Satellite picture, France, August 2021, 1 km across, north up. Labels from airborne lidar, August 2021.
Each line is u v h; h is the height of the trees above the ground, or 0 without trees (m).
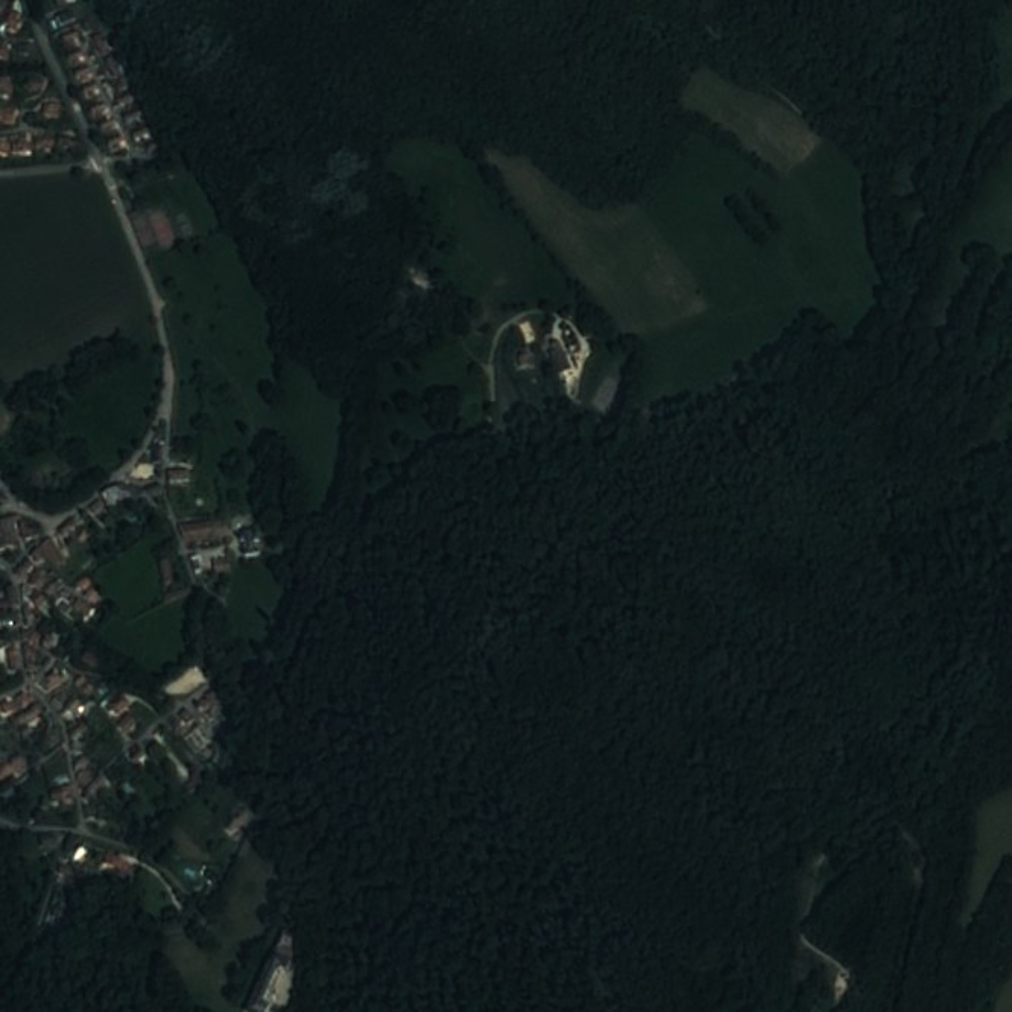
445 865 24
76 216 0
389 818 23
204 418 13
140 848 15
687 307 0
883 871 17
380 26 18
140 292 0
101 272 0
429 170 0
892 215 11
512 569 30
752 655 25
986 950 17
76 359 15
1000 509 26
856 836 14
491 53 21
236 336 0
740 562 20
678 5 16
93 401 0
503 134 20
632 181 16
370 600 25
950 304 0
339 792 18
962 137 24
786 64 17
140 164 13
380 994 22
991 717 11
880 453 28
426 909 18
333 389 24
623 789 23
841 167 0
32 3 16
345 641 22
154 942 23
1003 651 15
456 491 22
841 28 22
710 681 21
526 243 0
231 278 0
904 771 21
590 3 22
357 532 21
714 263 0
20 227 0
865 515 25
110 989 18
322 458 0
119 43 18
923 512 24
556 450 18
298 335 23
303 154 27
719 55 13
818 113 8
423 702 24
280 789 34
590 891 19
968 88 23
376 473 11
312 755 20
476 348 0
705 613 24
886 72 20
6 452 8
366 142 18
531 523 27
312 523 23
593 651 24
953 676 17
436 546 27
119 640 0
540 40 23
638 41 13
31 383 15
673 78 12
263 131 28
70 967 22
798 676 21
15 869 18
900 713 19
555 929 22
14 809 21
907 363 16
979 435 20
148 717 0
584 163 20
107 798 5
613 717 24
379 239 20
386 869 33
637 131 19
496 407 14
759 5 16
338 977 32
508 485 28
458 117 18
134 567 0
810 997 13
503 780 27
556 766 27
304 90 12
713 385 0
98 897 21
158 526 18
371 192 22
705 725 21
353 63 16
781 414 26
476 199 0
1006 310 21
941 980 19
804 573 11
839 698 21
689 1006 19
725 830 21
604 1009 19
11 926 26
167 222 0
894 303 23
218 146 31
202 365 12
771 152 0
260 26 23
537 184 0
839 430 20
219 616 24
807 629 21
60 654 7
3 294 0
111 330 0
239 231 25
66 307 0
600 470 25
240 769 14
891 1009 16
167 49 21
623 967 16
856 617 24
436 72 20
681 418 23
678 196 0
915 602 24
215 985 0
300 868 27
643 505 24
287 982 0
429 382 0
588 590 29
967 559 21
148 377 0
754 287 0
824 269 0
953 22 22
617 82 16
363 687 22
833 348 29
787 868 15
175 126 27
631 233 0
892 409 28
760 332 0
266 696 25
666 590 16
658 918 17
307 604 29
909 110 29
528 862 26
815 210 0
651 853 28
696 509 17
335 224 20
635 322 0
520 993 16
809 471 19
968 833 21
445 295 20
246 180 31
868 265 0
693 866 24
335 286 26
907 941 12
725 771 26
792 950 14
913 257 18
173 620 0
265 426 0
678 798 18
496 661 29
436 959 18
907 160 23
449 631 26
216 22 17
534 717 23
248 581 0
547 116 21
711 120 10
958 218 18
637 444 21
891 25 24
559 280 0
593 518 22
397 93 18
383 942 25
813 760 20
